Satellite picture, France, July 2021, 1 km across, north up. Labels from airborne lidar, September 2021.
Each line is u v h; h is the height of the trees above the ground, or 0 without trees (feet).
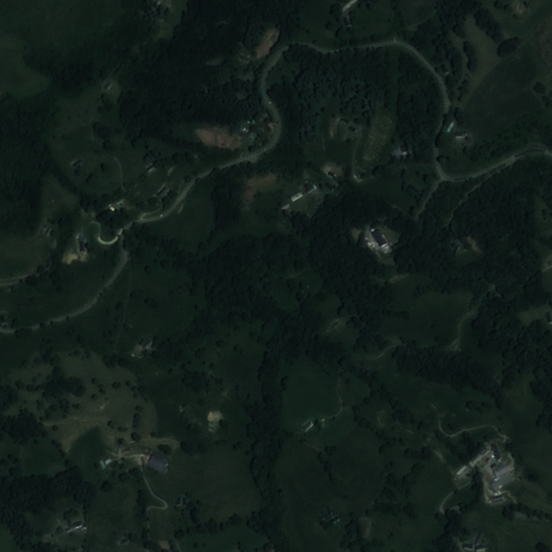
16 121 34
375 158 0
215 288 61
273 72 26
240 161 0
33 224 43
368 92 56
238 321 28
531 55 0
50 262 26
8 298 0
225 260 93
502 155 75
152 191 0
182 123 31
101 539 0
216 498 0
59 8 0
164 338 0
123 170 0
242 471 0
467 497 0
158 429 0
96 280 0
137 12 27
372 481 0
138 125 66
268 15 59
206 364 55
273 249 43
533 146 0
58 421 0
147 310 0
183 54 75
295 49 81
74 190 30
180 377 0
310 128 86
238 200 21
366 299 60
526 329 51
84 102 0
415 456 81
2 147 22
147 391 44
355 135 0
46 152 37
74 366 0
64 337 0
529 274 68
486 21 63
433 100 30
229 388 0
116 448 0
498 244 77
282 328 27
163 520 0
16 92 0
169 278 0
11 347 0
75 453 0
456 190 39
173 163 28
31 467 0
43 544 48
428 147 75
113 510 0
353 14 43
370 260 47
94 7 0
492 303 89
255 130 40
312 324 80
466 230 63
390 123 0
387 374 0
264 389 29
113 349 19
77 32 0
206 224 0
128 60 21
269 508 65
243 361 0
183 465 0
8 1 0
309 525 0
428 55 0
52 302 0
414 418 46
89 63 31
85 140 0
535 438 0
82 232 0
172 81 78
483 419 0
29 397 0
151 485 0
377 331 42
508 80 0
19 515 52
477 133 0
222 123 50
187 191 0
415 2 0
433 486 0
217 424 0
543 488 0
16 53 0
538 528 0
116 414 0
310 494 0
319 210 23
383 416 0
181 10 0
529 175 64
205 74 80
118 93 0
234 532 0
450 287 62
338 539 0
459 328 0
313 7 0
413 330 0
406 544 0
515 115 0
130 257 21
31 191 70
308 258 23
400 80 39
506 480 0
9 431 80
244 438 0
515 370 62
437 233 64
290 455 0
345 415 0
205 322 60
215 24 82
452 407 0
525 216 91
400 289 0
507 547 0
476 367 60
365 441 0
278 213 33
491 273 59
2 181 19
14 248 0
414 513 77
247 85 66
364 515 0
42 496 76
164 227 0
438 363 76
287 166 26
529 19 0
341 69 56
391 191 0
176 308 0
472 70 69
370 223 48
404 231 70
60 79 54
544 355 30
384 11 0
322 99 48
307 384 0
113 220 67
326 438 0
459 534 65
